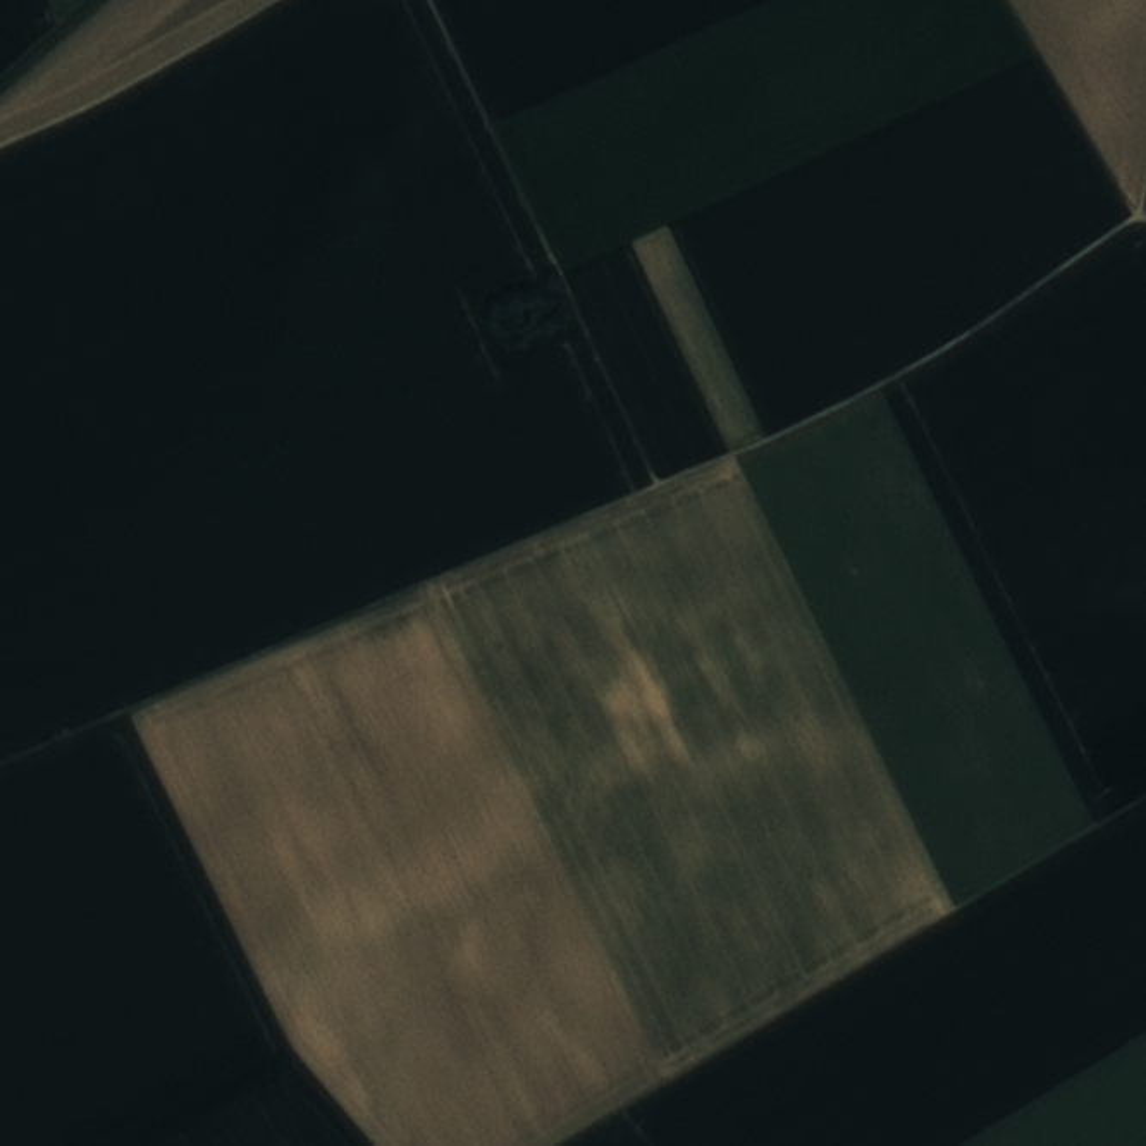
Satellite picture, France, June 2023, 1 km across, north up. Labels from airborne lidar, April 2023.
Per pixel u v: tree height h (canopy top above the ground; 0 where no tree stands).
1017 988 0
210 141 0
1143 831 0
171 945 0
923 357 0
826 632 0
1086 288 0
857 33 0
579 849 0
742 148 0
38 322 0
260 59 0
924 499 0
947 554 0
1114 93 0
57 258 0
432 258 0
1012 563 0
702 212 0
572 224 0
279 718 0
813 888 0
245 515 0
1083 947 0
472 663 0
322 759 0
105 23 0
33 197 0
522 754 0
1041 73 0
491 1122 0
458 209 0
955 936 0
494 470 0
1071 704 0
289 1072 0
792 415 0
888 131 0
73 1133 0
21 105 0
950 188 0
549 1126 0
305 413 0
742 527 0
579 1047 0
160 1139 0
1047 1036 0
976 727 0
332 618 0
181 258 0
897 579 0
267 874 0
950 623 0
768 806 0
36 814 0
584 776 0
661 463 0
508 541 0
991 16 0
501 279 0
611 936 0
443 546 0
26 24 0
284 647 0
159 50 0
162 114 0
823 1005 0
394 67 0
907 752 0
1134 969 0
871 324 0
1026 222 0
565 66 0
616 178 0
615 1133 0
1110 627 0
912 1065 0
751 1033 0
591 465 0
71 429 0
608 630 0
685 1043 0
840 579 0
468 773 0
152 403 0
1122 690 0
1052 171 0
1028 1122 0
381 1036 0
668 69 0
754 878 0
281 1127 0
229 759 0
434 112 0
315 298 0
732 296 0
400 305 0
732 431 0
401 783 0
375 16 0
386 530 0
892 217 0
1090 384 0
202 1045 0
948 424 0
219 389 0
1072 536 0
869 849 0
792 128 0
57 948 0
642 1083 0
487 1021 0
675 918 0
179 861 0
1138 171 0
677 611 0
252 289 0
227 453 0
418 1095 0
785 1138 0
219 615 0
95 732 0
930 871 0
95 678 0
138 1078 0
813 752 0
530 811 0
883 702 0
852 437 0
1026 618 0
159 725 0
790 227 0
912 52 0
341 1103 0
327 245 0
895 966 0
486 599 0
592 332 0
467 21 0
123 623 0
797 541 0
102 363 0
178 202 0
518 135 0
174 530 0
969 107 0
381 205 0
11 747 0
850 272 0
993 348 0
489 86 0
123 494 0
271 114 0
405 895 0
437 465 0
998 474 0
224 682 0
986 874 0
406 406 0
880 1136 0
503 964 0
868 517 0
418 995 0
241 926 0
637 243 0
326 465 0
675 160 0
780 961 0
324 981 0
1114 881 0
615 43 0
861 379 0
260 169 0
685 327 0
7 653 0
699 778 0
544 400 0
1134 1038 0
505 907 0
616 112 0
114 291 0
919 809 0
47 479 0
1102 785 0
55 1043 0
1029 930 0
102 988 0
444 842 0
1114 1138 0
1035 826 0
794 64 0
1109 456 0
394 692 0
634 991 0
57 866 0
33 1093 0
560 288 15
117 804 0
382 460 0
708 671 0
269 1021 0
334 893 0
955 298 0
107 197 0
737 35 0
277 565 0
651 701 0
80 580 0
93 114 0
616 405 0
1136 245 0
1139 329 0
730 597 0
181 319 0
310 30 0
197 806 0
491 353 0
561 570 0
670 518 0
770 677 0
